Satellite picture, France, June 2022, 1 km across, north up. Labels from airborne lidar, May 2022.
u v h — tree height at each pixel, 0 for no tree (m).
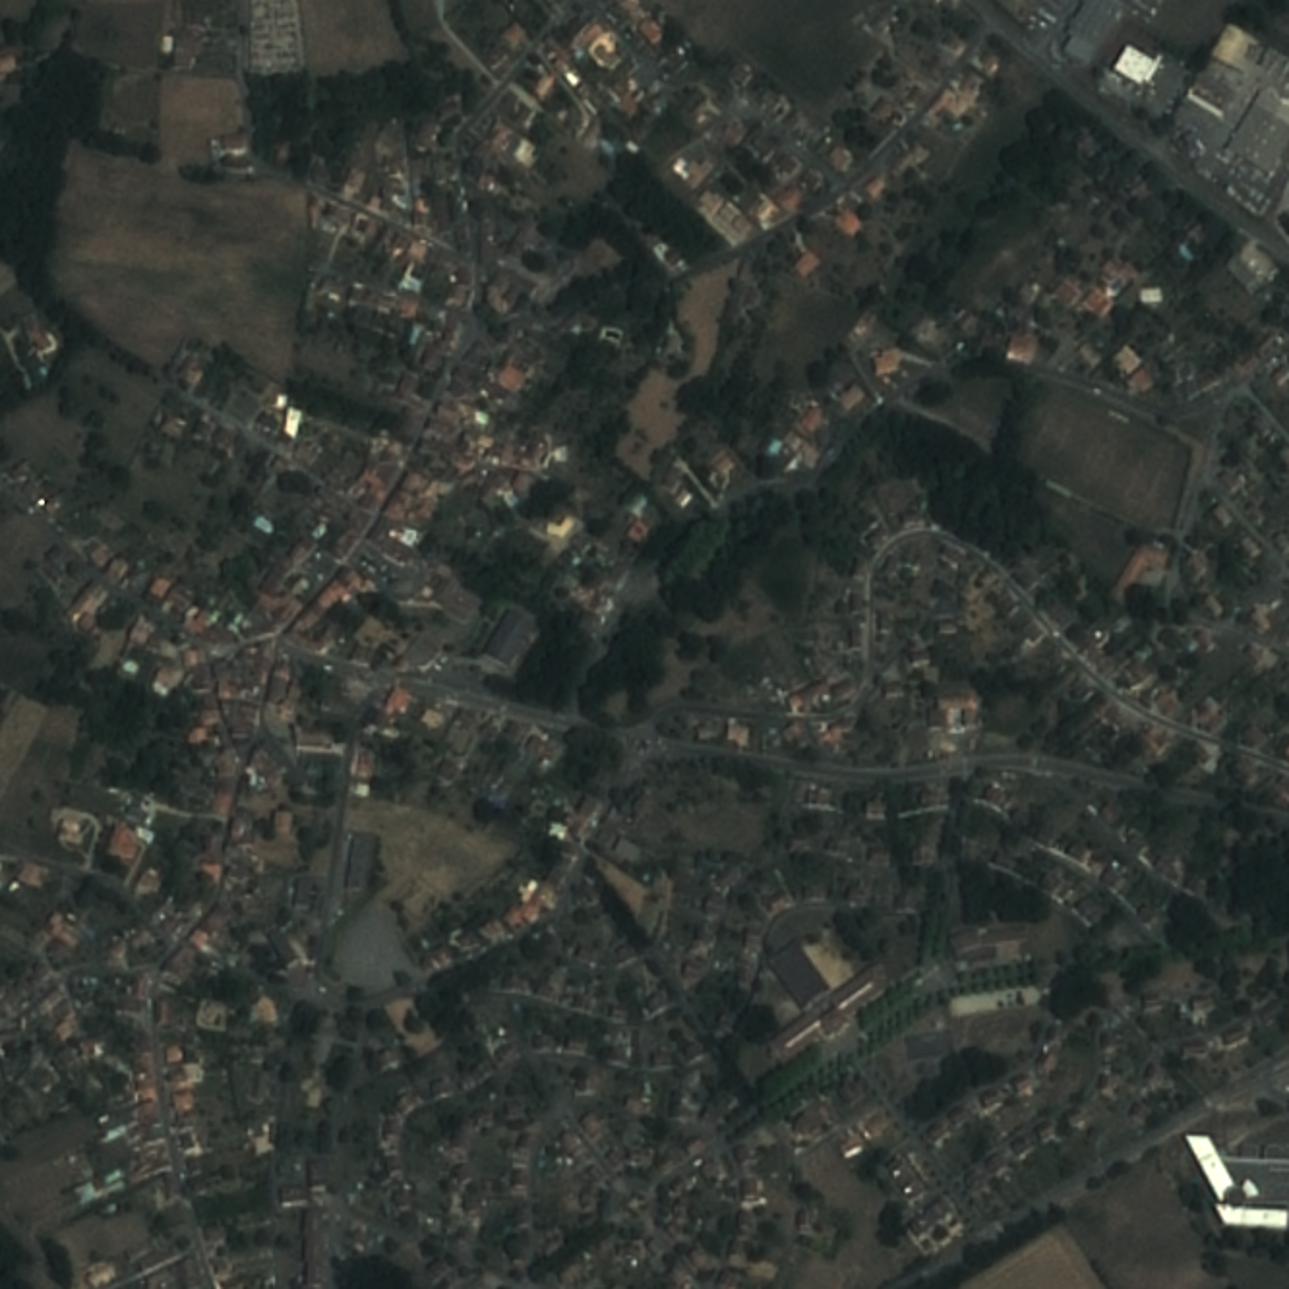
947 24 7
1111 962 11
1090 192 8
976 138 0
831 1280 0
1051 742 6
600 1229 11
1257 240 0
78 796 0
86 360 0
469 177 11
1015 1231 15
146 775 12
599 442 11
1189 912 25
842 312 0
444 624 12
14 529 0
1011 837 16
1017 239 0
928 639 7
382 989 0
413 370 9
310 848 9
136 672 0
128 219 0
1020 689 10
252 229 0
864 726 7
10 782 0
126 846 0
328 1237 0
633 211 15
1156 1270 0
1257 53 0
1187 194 14
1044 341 7
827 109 0
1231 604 8
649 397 0
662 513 7
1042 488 11
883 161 0
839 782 0
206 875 12
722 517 20
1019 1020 0
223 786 0
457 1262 7
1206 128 0
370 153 0
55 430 0
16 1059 8
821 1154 0
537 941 14
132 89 0
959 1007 0
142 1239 0
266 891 0
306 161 8
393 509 0
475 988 13
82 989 7
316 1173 0
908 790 7
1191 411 0
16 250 19
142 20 0
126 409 0
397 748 10
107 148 17
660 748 0
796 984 0
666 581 23
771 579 0
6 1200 0
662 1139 7
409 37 8
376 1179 9
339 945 0
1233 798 10
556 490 18
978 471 18
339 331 6
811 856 9
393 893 0
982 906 20
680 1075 7
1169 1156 0
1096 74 8
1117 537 0
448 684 0
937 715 0
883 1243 10
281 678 0
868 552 6
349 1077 10
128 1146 0
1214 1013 6
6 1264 9
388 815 0
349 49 0
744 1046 12
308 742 0
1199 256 8
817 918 0
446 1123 7
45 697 8
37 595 9
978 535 19
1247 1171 0
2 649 0
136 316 0
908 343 7
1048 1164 0
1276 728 7
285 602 0
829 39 0
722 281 0
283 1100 0
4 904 6
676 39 7
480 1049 12
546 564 6
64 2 0
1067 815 0
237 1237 6
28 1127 7
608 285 13
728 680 0
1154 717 0
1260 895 22
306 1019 16
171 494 0
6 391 9
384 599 8
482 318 11
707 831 0
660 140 0
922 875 16
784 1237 0
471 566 10
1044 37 0
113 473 8
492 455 0
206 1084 0
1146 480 0
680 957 0
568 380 7
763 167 10
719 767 15
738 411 12
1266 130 0
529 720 0
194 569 6
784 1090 12
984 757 0
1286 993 12
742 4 0
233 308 0
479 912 6
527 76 9
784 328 0
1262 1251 12
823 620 0
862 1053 8
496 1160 0
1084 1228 0
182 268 0
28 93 14
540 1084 9
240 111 0
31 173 10
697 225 12
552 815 11
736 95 0
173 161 0
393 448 0
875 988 0
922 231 10
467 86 8
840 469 9
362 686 0
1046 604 9
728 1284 0
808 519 13
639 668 27
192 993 6
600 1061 8
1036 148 8
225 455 7
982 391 0
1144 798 10
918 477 8
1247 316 0
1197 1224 6
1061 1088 0
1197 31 0
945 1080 14
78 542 0
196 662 0
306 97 7
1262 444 6
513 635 0
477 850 0
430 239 0
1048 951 0
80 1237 0
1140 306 10
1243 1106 0
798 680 0
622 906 9
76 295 0
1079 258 11
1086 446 0
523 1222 0
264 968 10
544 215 9
